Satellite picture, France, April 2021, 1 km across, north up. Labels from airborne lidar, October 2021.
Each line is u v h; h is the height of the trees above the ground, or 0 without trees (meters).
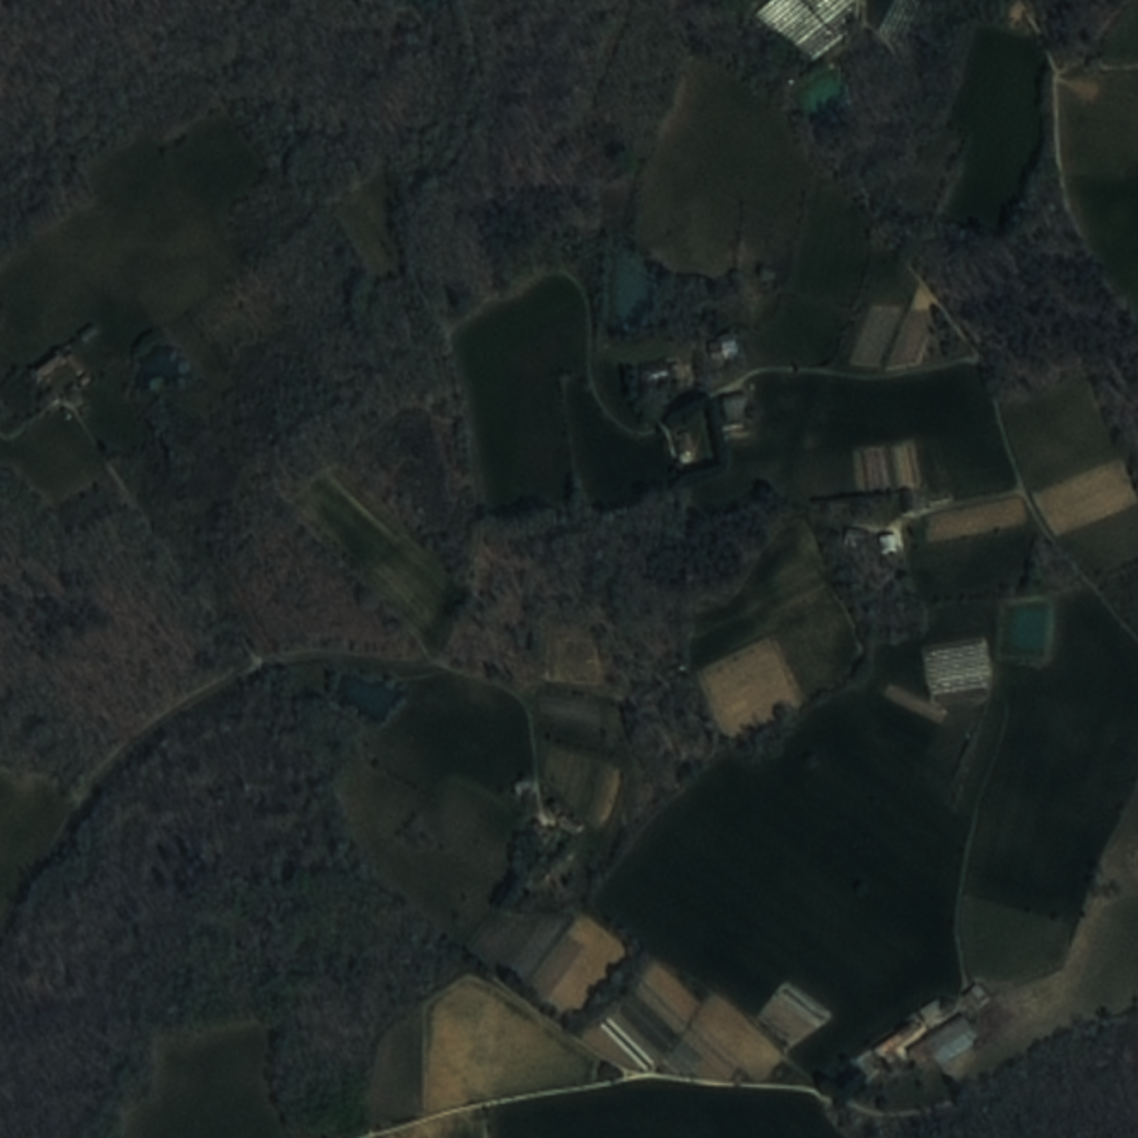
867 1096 23
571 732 0
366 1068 9
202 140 0
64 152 9
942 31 9
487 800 0
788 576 0
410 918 20
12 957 12
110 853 18
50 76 15
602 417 7
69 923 15
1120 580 6
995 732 0
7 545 21
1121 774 0
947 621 0
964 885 0
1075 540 0
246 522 10
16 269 0
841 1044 0
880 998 0
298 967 9
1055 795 0
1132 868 0
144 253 0
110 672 18
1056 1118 23
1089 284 28
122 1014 17
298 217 7
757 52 13
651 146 13
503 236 26
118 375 0
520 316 0
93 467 0
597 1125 0
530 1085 0
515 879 7
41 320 0
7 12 16
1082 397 0
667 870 0
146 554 21
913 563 0
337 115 20
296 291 12
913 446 0
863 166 13
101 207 0
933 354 10
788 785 0
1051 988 0
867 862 0
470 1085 0
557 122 17
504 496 0
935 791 0
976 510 0
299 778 15
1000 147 0
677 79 15
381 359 28
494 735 0
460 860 0
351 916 23
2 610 17
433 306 23
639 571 22
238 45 23
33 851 0
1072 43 15
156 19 18
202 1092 0
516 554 13
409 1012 9
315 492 0
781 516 14
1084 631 0
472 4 22
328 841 10
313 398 11
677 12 8
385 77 15
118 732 6
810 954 0
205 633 16
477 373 0
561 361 0
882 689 0
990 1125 26
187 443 7
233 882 19
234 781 8
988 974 0
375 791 0
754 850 0
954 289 13
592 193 20
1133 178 0
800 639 0
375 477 15
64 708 20
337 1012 20
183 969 16
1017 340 28
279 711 13
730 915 0
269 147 14
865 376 0
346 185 27
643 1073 0
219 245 0
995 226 0
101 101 18
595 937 0
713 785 0
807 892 0
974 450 0
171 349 7
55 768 24
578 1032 14
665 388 9
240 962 8
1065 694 0
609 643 22
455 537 8
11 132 14
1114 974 0
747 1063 0
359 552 0
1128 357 17
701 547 28
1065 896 0
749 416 13
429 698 0
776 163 0
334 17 18
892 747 0
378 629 10
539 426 0
